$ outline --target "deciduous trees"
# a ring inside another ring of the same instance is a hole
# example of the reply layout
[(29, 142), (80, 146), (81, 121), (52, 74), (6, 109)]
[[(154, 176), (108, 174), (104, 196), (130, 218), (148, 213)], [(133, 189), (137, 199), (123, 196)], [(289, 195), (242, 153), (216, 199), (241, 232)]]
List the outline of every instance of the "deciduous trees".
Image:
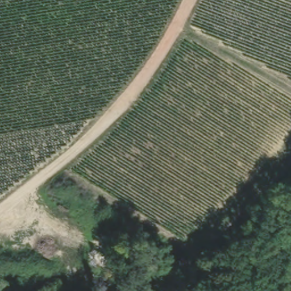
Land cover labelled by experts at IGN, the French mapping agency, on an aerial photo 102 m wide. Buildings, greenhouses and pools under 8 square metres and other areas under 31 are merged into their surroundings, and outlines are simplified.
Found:
[(45, 258), (38, 265), (27, 263), (25, 259), (22, 263), (0, 264), (0, 291), (291, 291), (291, 178), (278, 183), (275, 189), (268, 192), (267, 200), (260, 199), (258, 206), (251, 206), (249, 203), (246, 211), (250, 213), (251, 218), (247, 225), (242, 226), (242, 233), (233, 231), (219, 241), (206, 236), (202, 244), (188, 255), (182, 249), (172, 248), (169, 238), (158, 232), (151, 235), (135, 222), (130, 222), (113, 233), (111, 238), (106, 240), (105, 247), (102, 255), (92, 251), (89, 261), (82, 260), (82, 267), (74, 273), (66, 273), (66, 266), (61, 264), (58, 257)]

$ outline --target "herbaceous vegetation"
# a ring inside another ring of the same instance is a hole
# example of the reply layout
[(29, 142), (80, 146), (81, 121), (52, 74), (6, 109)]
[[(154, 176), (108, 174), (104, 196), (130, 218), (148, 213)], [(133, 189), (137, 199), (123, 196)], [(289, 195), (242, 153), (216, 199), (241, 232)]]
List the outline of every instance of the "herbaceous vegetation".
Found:
[(84, 240), (80, 247), (74, 248), (64, 246), (59, 236), (44, 235), (35, 241), (31, 248), (30, 244), (23, 243), (23, 240), (32, 236), (36, 230), (17, 231), (8, 236), (0, 233), (0, 264), (22, 263), (25, 259), (27, 263), (38, 265), (45, 258), (58, 257), (61, 264), (66, 266), (66, 273), (74, 273), (82, 267), (82, 260), (89, 261), (92, 251), (102, 255), (105, 247), (101, 246), (98, 240), (93, 239), (88, 243)]

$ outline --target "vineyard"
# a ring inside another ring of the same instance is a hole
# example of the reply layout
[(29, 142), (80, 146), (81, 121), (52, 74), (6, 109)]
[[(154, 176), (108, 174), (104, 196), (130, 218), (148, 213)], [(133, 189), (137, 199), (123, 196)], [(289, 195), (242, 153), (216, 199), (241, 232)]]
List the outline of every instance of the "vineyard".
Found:
[(72, 148), (97, 123), (103, 114), (103, 108), (109, 107), (127, 88), (152, 51), (156, 49), (182, 0), (0, 0), (0, 203)]
[(177, 36), (171, 50), (131, 107), (60, 171), (74, 178), (84, 189), (98, 193), (108, 203), (123, 198), (130, 199), (136, 206), (133, 216), (156, 226), (158, 232), (169, 238), (172, 248), (182, 249), (188, 255), (202, 244), (206, 236), (219, 241), (233, 231), (242, 233), (242, 226), (247, 225), (251, 218), (250, 213), (246, 211), (249, 203), (251, 206), (258, 206), (260, 199), (267, 200), (268, 192), (275, 189), (278, 183), (291, 178), (291, 0), (197, 0), (186, 19), (183, 31)]

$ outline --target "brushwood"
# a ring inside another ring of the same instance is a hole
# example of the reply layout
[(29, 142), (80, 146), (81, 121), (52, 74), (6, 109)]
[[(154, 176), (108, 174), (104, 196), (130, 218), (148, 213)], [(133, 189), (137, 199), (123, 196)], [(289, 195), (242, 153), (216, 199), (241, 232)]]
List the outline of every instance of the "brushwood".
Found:
[(88, 243), (93, 239), (98, 240), (101, 246), (105, 247), (106, 240), (111, 238), (113, 233), (130, 222), (135, 222), (151, 235), (158, 232), (156, 226), (133, 216), (136, 206), (130, 199), (123, 198), (108, 203), (98, 193), (84, 189), (74, 178), (60, 171), (39, 186), (36, 191), (36, 203), (48, 206), (47, 213), (50, 216), (67, 222), (74, 230), (77, 228), (81, 231), (84, 240)]

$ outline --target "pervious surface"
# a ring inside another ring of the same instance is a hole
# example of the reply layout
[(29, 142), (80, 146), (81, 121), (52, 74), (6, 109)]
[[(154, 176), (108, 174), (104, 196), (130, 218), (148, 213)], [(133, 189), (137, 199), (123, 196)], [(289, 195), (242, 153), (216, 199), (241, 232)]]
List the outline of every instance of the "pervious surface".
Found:
[(72, 148), (0, 203), (0, 233), (8, 236), (17, 231), (36, 230), (32, 236), (23, 240), (23, 243), (30, 244), (31, 248), (35, 241), (44, 235), (59, 236), (64, 246), (74, 248), (80, 247), (84, 240), (81, 231), (77, 228), (74, 230), (67, 222), (50, 216), (47, 213), (48, 206), (36, 203), (36, 191), (39, 186), (60, 171), (131, 107), (171, 50), (177, 36), (183, 31), (186, 19), (197, 0), (182, 0), (156, 49), (152, 51), (127, 88), (109, 107), (103, 108), (103, 114), (97, 123)]

